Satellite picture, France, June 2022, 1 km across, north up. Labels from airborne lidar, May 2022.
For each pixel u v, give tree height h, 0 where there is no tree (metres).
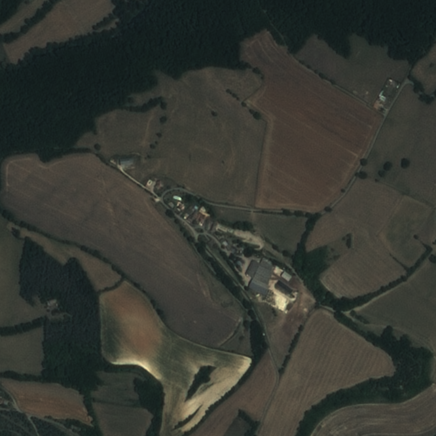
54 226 0
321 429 0
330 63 0
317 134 0
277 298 0
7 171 0
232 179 0
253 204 0
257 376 0
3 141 20
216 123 0
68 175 0
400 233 0
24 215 0
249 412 0
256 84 0
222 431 0
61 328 14
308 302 0
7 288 0
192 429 7
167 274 0
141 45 21
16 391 0
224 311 0
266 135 0
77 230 0
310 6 27
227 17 22
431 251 7
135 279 0
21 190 0
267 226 0
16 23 0
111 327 0
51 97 23
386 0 25
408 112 0
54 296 9
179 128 0
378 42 20
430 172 0
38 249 16
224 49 22
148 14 29
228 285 18
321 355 0
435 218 0
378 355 0
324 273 0
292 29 11
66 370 12
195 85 0
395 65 0
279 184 0
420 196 0
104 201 0
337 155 0
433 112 0
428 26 21
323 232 0
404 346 16
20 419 9
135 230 0
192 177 0
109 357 0
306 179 0
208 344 0
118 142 0
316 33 15
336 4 27
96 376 14
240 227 15
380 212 0
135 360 0
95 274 0
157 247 0
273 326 0
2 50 0
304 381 0
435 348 0
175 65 21
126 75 14
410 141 0
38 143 14
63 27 0
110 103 21
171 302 0
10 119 19
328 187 0
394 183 0
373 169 0
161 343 0
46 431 10
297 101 0
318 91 0
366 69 0
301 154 0
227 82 0
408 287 0
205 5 28
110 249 0
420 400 0
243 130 0
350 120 0
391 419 0
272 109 0
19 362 0
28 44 0
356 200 0
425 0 26
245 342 0
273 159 0
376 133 0
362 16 27
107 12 0
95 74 19
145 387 15
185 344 0
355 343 0
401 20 25
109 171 0
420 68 0
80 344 14
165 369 0
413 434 0
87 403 14
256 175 0
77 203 0
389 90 0
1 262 0
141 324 0
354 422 0
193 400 0
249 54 0
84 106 23
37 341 0
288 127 0
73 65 18
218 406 7
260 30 14
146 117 0
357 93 0
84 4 0
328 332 0
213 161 0
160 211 0
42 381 11
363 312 0
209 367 13
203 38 21
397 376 9
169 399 0
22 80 19
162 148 0
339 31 22
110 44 18
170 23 21
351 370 0
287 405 0
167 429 0
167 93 0
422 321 0
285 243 0
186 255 0
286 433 0
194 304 0
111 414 0
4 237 0
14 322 0
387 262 0
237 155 0
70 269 27
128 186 0
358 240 0
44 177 0
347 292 0
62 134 12
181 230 9
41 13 19
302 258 13
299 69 0
